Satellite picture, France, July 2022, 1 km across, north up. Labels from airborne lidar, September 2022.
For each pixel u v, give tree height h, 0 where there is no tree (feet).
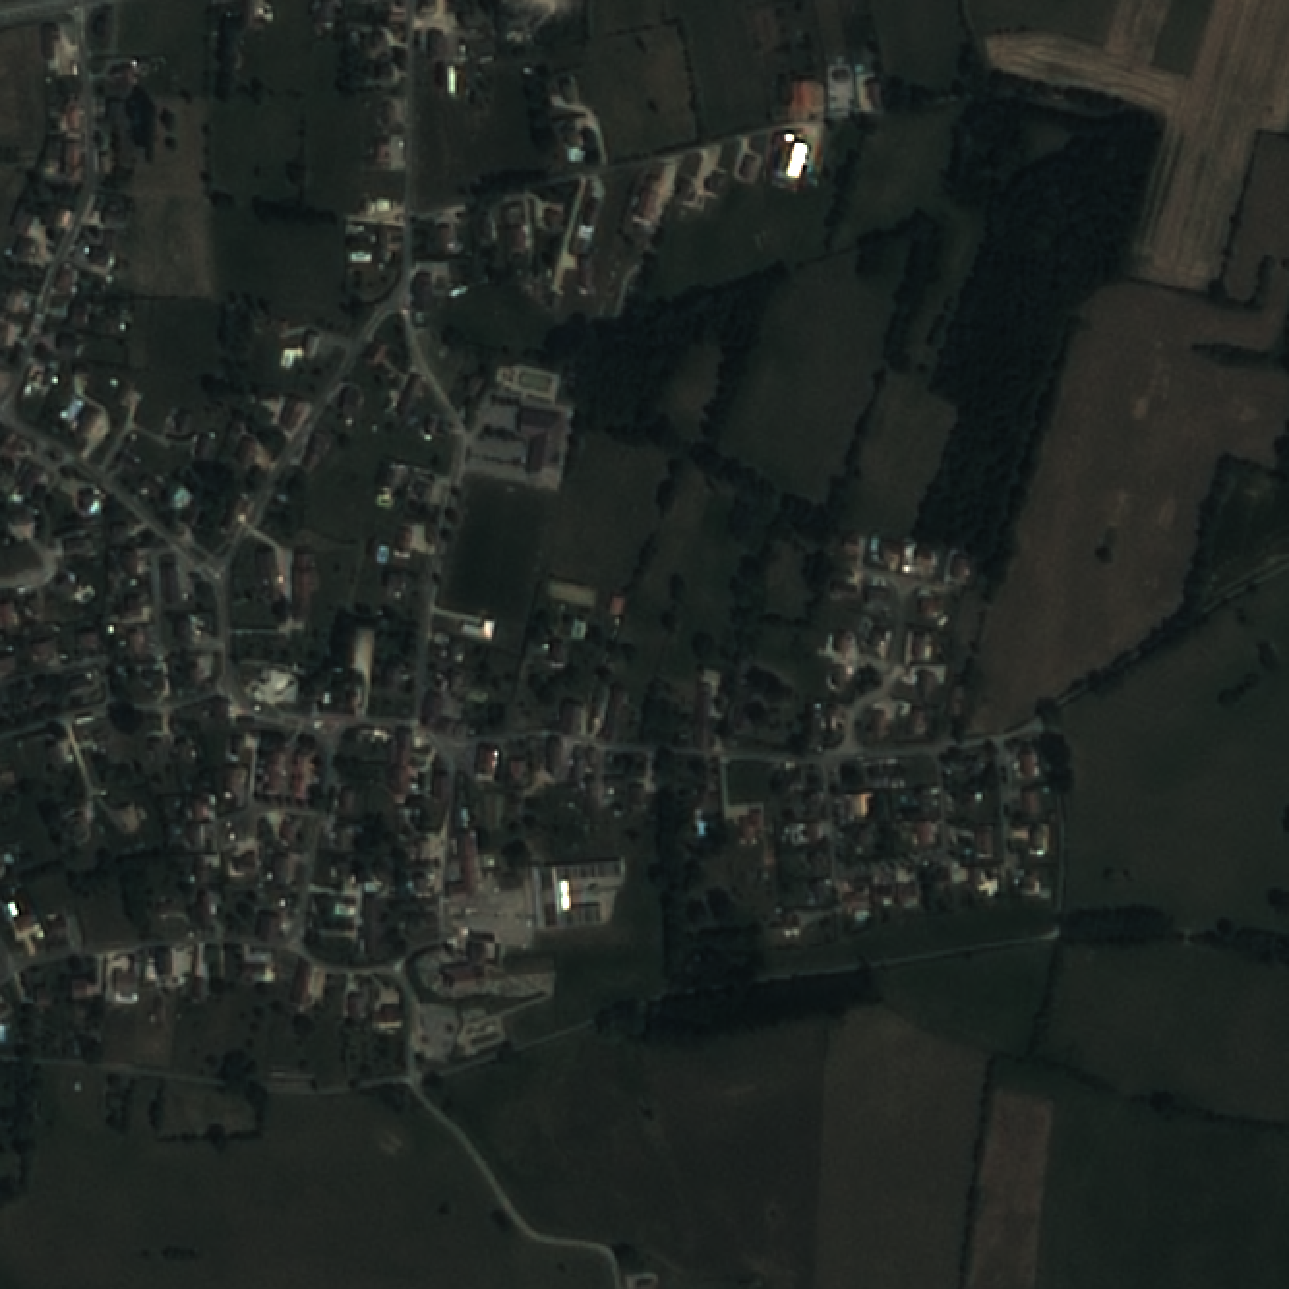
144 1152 0
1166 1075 0
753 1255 0
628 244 20
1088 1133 0
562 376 0
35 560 0
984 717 0
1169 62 0
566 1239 0
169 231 0
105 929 0
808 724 27
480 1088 0
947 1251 0
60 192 38
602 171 0
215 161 0
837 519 39
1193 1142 0
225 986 25
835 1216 0
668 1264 0
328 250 0
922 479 0
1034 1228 0
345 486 0
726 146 0
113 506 22
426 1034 0
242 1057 26
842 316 0
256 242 0
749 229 0
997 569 52
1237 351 23
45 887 0
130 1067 0
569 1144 0
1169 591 0
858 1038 0
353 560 0
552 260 39
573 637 0
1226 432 0
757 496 89
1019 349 57
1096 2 0
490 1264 0
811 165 0
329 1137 0
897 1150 0
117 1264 0
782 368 0
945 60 0
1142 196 37
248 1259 0
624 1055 0
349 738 21
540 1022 0
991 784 26
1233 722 0
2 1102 0
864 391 0
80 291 20
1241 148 0
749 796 0
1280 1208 0
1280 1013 0
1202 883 0
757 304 42
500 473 0
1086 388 0
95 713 0
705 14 0
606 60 0
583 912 0
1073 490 0
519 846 36
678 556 0
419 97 0
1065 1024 0
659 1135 0
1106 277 49
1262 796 0
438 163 0
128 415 0
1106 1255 0
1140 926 63
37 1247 0
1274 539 0
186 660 22
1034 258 72
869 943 0
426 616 0
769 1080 0
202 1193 0
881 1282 0
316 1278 0
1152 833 0
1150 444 0
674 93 0
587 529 0
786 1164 0
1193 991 0
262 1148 0
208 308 0
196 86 0
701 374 0
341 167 0
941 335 25
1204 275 0
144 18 0
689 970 35
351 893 0
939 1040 0
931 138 0
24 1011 22
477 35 0
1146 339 0
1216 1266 0
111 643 30
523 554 0
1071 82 0
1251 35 0
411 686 25
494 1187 0
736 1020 29
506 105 0
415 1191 0
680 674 0
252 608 0
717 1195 0
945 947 0
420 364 0
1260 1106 0
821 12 0
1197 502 0
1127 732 0
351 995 0
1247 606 0
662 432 88
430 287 0
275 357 0
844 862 22
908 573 0
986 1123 20
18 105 0
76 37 0
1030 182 46
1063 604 0
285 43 0
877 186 0
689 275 0
